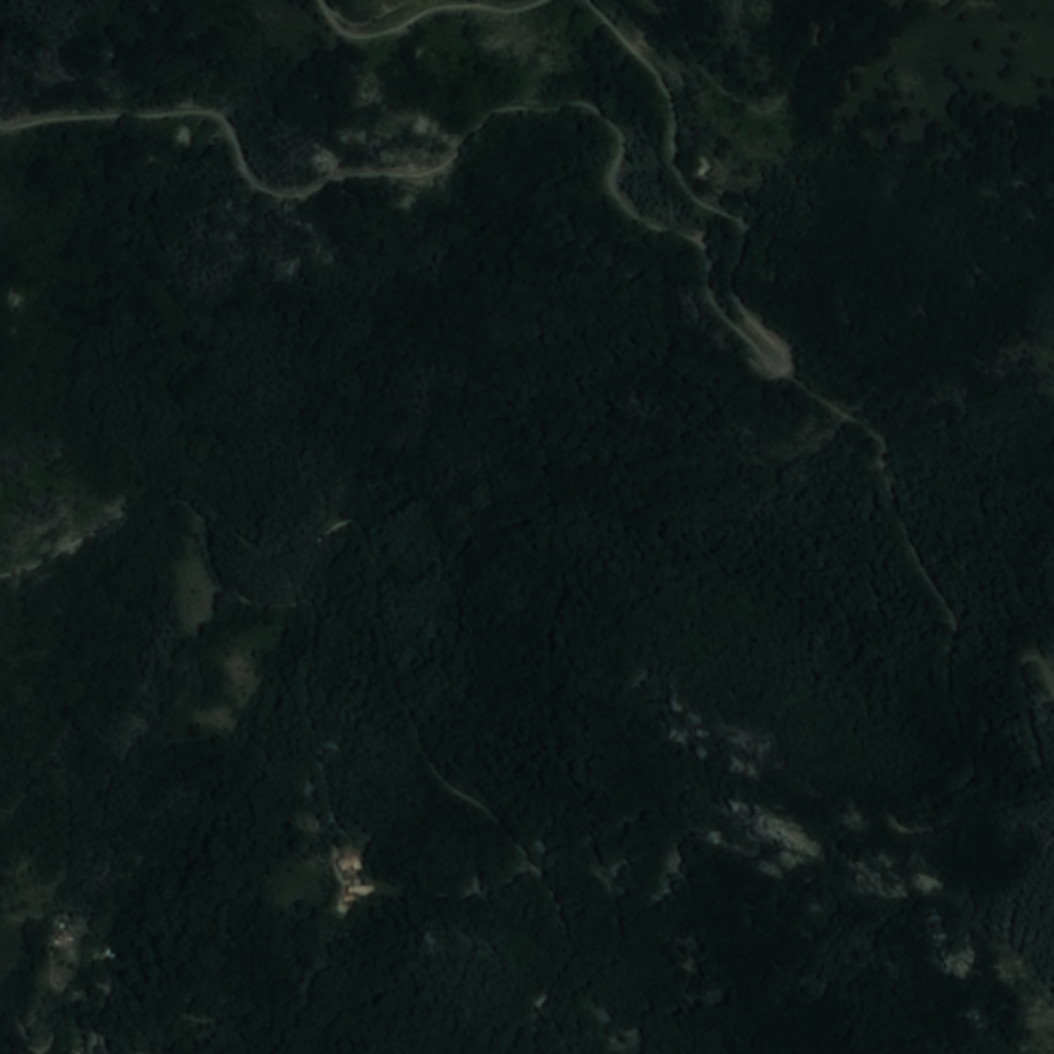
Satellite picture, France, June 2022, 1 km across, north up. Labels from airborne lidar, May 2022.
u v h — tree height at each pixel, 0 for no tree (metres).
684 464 18
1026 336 7
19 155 13
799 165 11
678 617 18
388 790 18
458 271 23
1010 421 10
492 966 10
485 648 23
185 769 13
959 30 0
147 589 20
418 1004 19
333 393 17
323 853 9
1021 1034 6
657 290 31
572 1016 13
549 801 20
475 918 21
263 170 11
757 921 12
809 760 14
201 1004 19
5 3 9
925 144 9
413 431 12
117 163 24
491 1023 16
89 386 15
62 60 16
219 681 6
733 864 18
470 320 27
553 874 17
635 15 11
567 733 22
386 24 0
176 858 23
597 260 12
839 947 7
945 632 19
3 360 15
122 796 10
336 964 8
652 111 16
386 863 18
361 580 14
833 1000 13
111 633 14
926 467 17
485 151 19
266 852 17
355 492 12
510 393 21
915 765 18
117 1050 15
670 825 17
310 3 12
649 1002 15
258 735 20
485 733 19
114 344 20
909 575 20
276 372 7
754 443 10
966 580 18
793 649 18
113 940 14
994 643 19
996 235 8
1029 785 19
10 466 8
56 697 11
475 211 15
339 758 9
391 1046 21
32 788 14
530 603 20
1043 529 15
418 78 18
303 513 13
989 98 10
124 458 17
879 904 7
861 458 15
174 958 18
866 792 12
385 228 10
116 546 18
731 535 13
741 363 14
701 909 24
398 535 26
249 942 8
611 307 23
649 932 19
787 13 12
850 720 17
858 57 13
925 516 18
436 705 15
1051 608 16
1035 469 20
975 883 15
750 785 20
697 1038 16
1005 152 10
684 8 12
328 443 13
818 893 14
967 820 16
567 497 26
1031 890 16
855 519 20
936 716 16
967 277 12
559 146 21
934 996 16
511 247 14
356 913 12
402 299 17
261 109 8
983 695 16
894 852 9
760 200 13
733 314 11
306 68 17
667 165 7
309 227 13
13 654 8
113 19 8
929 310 8
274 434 14
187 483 16
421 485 22
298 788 15
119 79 9
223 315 23
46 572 9
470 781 17
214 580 6
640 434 14
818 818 7
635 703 14
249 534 12
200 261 11
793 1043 22
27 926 15
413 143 10
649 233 9
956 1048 7
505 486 15
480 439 21
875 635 13
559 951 18
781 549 20
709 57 9
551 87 10
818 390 15
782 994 11
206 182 10
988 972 11
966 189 7
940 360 15
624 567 20
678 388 24
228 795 15
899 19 15
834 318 13
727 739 12
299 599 11
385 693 14
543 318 19
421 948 15
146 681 9
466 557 22
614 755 25
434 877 18
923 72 0
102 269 8
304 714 14
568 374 21
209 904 13
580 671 19
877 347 18
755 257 17
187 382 19
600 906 17
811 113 14
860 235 10
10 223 10
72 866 15
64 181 15
